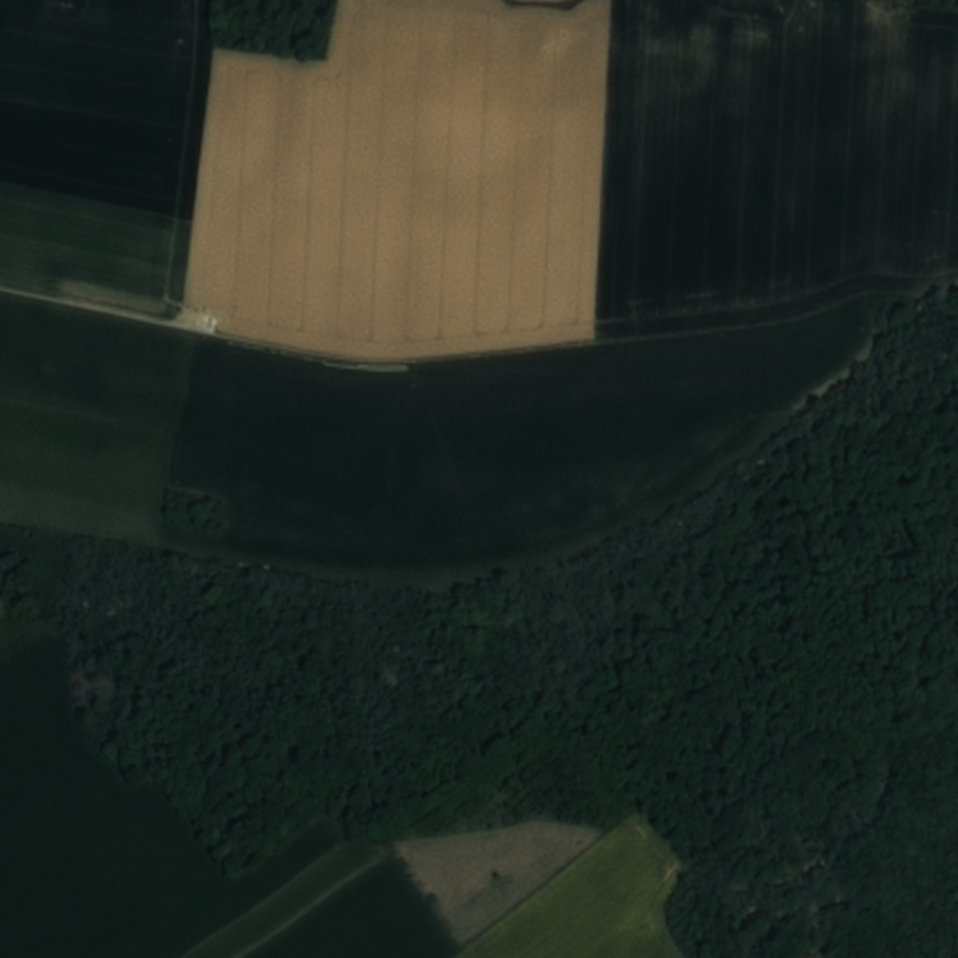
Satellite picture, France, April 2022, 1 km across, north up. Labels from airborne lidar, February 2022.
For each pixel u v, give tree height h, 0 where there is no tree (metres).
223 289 0
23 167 0
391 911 0
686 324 0
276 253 0
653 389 0
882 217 0
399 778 21
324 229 0
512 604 10
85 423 0
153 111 0
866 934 24
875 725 23
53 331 0
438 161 0
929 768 23
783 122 0
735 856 16
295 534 0
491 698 24
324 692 27
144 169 0
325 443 0
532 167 0
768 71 0
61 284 0
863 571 32
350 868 0
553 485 0
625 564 16
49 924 0
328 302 0
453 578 0
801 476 23
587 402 0
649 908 0
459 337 0
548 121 0
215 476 0
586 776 14
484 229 0
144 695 17
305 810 22
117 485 0
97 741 6
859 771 17
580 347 0
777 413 0
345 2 0
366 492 0
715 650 26
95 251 0
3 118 0
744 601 31
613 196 0
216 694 21
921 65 0
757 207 0
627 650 18
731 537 25
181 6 0
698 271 0
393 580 0
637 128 0
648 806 25
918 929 22
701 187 0
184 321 0
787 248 0
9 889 0
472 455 0
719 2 0
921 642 28
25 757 0
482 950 0
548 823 0
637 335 0
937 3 11
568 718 21
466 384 0
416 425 0
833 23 0
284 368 0
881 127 0
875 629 34
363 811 19
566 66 0
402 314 0
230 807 26
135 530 0
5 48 0
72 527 0
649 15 0
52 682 0
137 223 0
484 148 0
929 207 0
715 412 0
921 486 28
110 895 0
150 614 19
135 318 0
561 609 26
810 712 24
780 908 16
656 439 0
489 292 0
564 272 0
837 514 27
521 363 0
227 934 0
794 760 21
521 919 0
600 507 0
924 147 0
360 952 0
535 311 0
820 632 24
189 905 0
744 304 0
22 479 0
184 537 0
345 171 0
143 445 0
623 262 0
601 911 0
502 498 0
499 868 0
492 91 0
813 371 0
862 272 0
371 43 0
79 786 0
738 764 26
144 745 22
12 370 0
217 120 0
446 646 13
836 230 0
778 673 24
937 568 30
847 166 0
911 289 0
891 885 23
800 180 0
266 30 17
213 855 16
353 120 0
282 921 0
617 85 0
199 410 0
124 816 0
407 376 0
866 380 15
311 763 24
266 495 0
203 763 25
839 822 18
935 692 33
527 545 0
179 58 0
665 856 0
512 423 0
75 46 0
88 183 0
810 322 0
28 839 0
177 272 0
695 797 26
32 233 0
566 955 0
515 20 0
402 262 0
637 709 21
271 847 18
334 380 0
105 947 0
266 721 24
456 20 0
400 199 0
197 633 16
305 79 0
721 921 15
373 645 6
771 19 0
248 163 0
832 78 0
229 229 0
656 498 0
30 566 17
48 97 0
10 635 0
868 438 19
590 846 0
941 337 21
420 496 0
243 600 17
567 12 0
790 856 19
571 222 0
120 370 0
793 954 21
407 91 0
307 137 0
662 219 0
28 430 0
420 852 0
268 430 0
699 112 0
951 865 25
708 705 30
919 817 22
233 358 0
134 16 0
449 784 16
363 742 13
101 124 0
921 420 29
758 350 0
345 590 11
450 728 20
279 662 21
